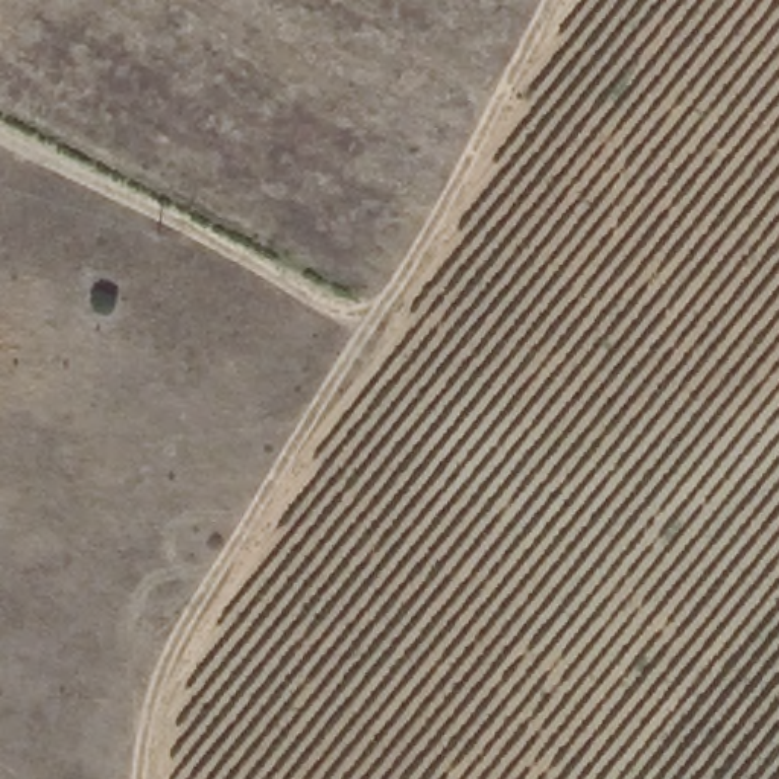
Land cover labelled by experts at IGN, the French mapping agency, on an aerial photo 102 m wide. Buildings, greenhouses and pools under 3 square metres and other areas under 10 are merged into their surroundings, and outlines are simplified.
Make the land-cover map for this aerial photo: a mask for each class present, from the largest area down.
<instances>
[{"label":"vineyard","instance_id":"1","mask_svg":"<svg viewBox=\"0 0 779 779\"><path fill-rule=\"evenodd\" d=\"M560 46L551 52L545 67L529 79V85L517 91V97L526 100L529 110L496 146V173L463 210L456 222L459 243L411 298L414 323L405 329V335L386 353V359L368 377V383L356 393V399L344 408L335 426L323 435V441L313 450V459L320 463L316 472L295 493V499L277 520L280 539L219 612V639L207 648V654L195 663V669L186 679L192 697L176 712L180 736L170 746V779H779V0H578L560 21Z\"/></svg>","mask_w":779,"mask_h":779},{"label":"plowed land","instance_id":"2","mask_svg":"<svg viewBox=\"0 0 779 779\"><path fill-rule=\"evenodd\" d=\"M539 0H0V131L15 128L18 119H27L64 137L67 143L103 158L113 167H122L164 192L201 204L204 210L256 234L259 240H268L277 250L313 259L326 256L335 265H356L359 280L368 286L362 298L374 295L393 277L396 262L408 253L429 207L441 195L459 152L466 149V140L472 137V128L490 91L496 88ZM347 344V326L271 286L265 277L240 268L237 262L222 259L219 253L183 237L170 225L155 222L137 210H128L49 167L21 161L0 146V779H128L134 752V721L143 706L155 657L164 639L170 636L176 618L183 615L189 593L198 587L201 575L213 563L222 542L231 536L237 517L259 490L262 478L268 475L274 453L289 438L295 417L310 402L329 365Z\"/></svg>","mask_w":779,"mask_h":779},{"label":"pervious surface","instance_id":"3","mask_svg":"<svg viewBox=\"0 0 779 779\"><path fill-rule=\"evenodd\" d=\"M578 0H539L496 88L490 91L472 128V137L466 140V149L459 152L441 195L429 207L408 253L396 262L393 277L374 295L362 298H341L304 280L301 274L280 268L277 262L216 234L213 228L198 225L192 216L164 207L61 155L58 149L15 128L0 131V146L21 161L49 167L128 210H137L155 222L170 225L183 237L219 253L222 259L237 262L240 268L265 277L271 286L347 326V344L329 365L310 402L295 417L289 438L274 453L268 475L262 478L259 490L237 517L231 536L222 542L213 563L201 575L198 587L189 593L183 615L176 618L170 636L164 639L155 657L143 706L134 721V752L128 779H170V746L180 736L176 712L192 697L186 679L195 669V663L207 654V648L219 639V612L280 539L277 520L295 499V493L316 472L320 463L313 459V450L323 441V435L335 426L344 408L356 399V393L368 383V377L386 359V353L405 335V329L414 323L411 298L459 243L456 222L463 210L496 173V146L529 110L526 100L517 97V91L529 85V79L545 67L551 52L560 46V21Z\"/></svg>","mask_w":779,"mask_h":779},{"label":"brushwood","instance_id":"4","mask_svg":"<svg viewBox=\"0 0 779 779\"><path fill-rule=\"evenodd\" d=\"M58 149L61 155L164 207L192 216L198 225L213 228L216 234L277 262L280 268L301 274L304 280L341 298H362L368 286L359 280L356 265H335L326 256L313 259L277 250L268 240H259L256 234L204 210L201 204L164 192L122 167H113L103 158L67 143L64 137L27 119H18L15 128Z\"/></svg>","mask_w":779,"mask_h":779}]
</instances>
